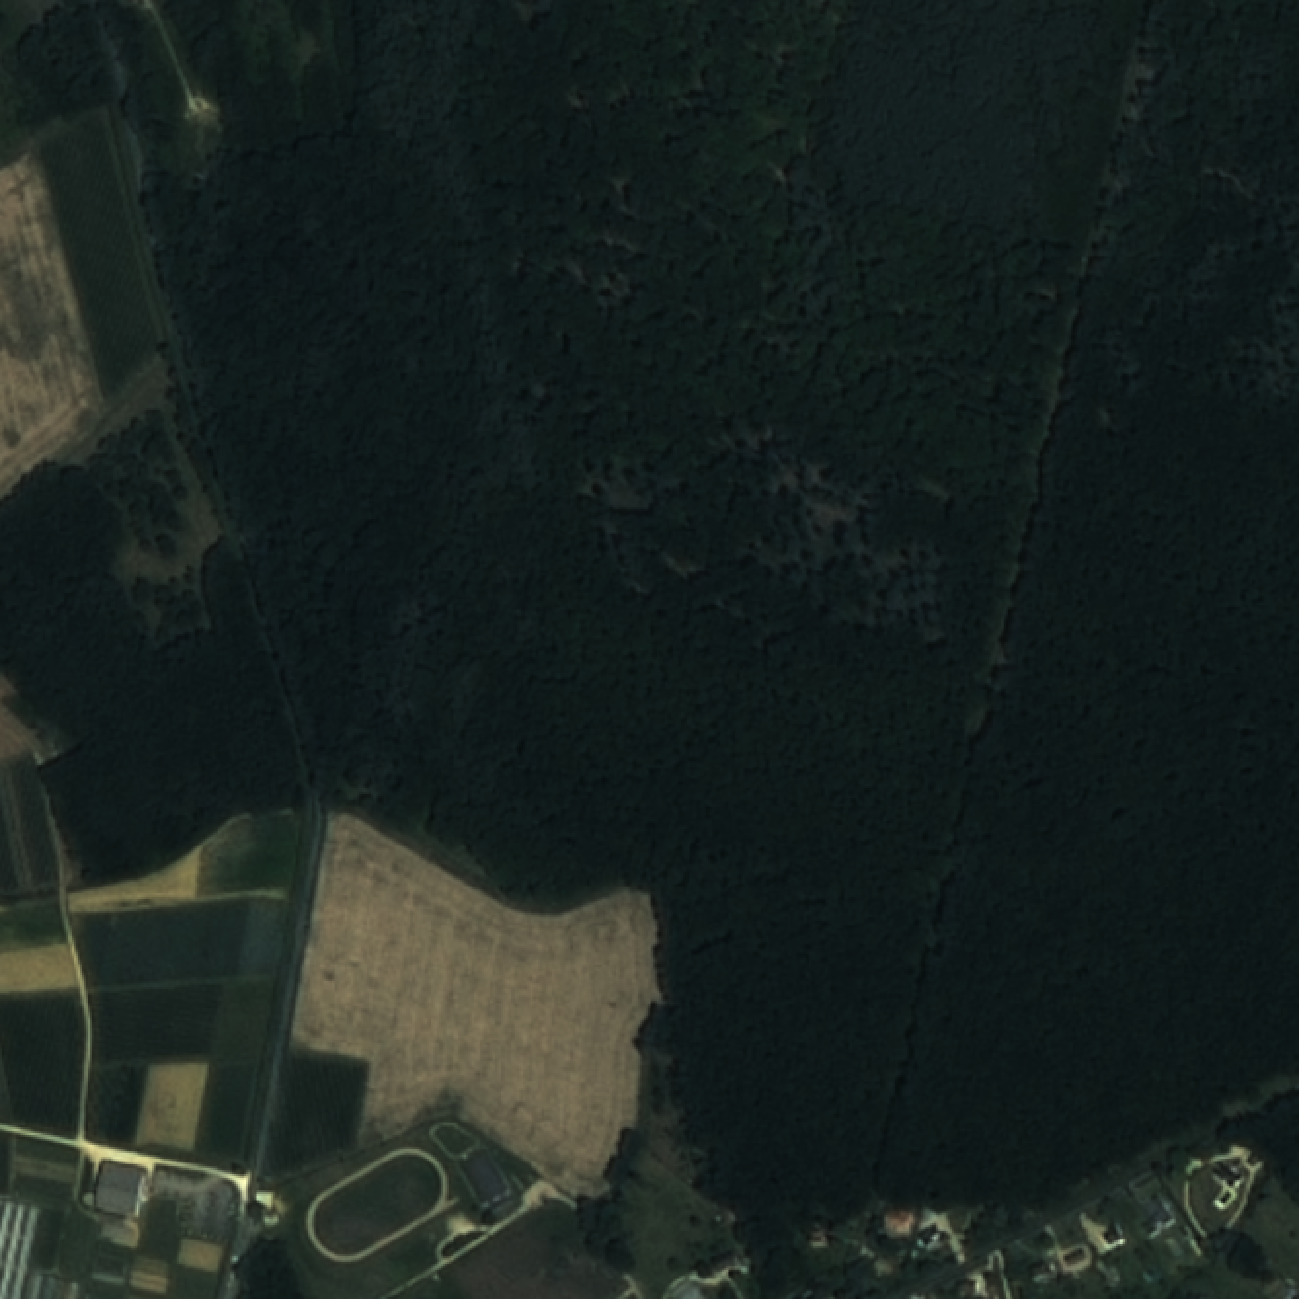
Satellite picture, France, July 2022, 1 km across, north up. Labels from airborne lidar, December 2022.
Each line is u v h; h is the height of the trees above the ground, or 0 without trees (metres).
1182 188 27
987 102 6
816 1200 26
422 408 27
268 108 7
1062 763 28
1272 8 25
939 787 27
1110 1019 30
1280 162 27
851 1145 28
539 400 26
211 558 12
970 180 13
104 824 19
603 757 31
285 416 30
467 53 31
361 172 24
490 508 21
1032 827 26
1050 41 10
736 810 30
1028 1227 15
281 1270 9
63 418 0
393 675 28
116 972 0
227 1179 0
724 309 23
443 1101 0
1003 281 7
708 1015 28
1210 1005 29
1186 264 24
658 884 22
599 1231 14
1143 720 27
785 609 24
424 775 23
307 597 27
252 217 25
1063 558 26
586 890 19
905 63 11
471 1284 0
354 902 0
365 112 21
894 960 29
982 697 26
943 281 19
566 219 33
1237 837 27
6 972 0
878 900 24
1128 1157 25
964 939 24
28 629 24
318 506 26
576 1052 0
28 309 0
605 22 29
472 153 31
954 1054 28
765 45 23
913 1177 28
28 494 15
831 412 24
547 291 32
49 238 0
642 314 28
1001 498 23
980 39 11
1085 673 29
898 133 13
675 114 27
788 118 25
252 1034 0
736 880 25
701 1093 29
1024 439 27
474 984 0
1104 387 24
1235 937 29
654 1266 0
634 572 30
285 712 16
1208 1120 25
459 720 23
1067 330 21
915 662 25
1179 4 26
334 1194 0
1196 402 25
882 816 30
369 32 20
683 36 24
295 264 27
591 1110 0
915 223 21
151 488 10
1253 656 26
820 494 31
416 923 0
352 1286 0
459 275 24
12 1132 0
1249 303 23
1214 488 26
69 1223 0
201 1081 0
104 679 21
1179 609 25
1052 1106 30
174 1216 0
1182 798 27
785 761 29
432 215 23
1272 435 24
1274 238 31
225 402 27
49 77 12
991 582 26
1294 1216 0
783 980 29
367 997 0
